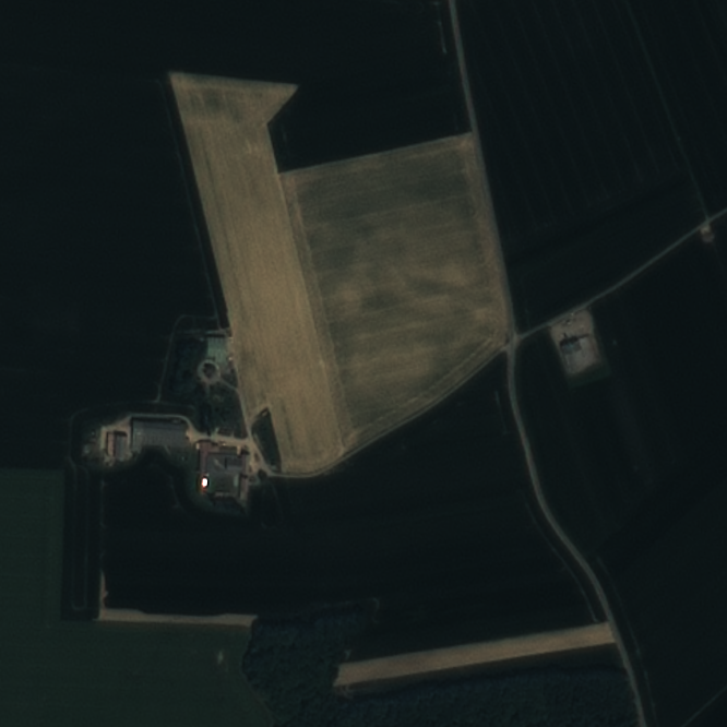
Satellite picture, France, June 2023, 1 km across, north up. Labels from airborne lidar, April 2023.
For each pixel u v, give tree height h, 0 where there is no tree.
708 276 0
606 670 20
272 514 0
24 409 0
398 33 0
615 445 0
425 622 0
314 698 24
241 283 0
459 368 0
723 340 0
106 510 0
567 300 0
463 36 0
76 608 0
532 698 24
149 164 0
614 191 0
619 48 0
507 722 26
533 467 0
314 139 0
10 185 0
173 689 0
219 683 0
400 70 0
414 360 0
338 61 0
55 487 0
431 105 0
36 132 0
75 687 0
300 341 0
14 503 0
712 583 0
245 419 0
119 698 0
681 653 0
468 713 27
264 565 0
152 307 0
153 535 0
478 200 0
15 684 0
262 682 18
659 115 0
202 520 0
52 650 0
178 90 0
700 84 0
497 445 0
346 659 0
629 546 0
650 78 0
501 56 0
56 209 0
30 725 0
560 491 0
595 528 0
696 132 0
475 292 0
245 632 0
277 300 0
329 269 0
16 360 0
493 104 0
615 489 0
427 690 22
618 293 0
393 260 0
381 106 0
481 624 0
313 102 0
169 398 0
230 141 0
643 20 0
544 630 0
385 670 0
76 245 0
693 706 0
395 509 0
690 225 0
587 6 0
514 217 0
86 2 0
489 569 0
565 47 0
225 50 0
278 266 0
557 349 0
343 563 0
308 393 0
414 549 0
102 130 0
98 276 0
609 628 0
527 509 0
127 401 0
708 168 0
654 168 0
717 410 0
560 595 0
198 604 0
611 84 0
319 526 0
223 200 0
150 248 0
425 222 0
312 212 0
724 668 0
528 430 0
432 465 0
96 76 0
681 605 0
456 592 0
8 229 0
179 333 0
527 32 0
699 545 0
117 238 0
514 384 0
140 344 0
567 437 0
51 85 0
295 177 0
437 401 0
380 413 0
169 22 0
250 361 0
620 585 0
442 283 0
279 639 20
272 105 0
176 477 0
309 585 0
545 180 0
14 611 0
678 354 0
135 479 0
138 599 0
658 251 0
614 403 0
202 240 0
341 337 0
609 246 0
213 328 0
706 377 0
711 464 0
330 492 0
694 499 0
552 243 0
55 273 0
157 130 0
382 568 0
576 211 0
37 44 0
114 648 0
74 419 0
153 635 0
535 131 0
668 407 0
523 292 0
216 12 0
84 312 0
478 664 0
